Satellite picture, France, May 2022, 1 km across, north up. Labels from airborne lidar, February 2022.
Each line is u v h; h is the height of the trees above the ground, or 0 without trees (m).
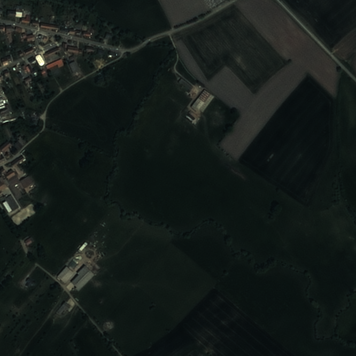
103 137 0
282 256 0
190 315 0
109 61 0
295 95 0
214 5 0
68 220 0
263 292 0
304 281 0
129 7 0
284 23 0
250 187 0
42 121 0
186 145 0
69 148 0
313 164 0
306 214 0
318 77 0
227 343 0
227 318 0
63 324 0
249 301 0
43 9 0
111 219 0
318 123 0
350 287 0
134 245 0
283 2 0
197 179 0
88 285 0
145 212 0
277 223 0
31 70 0
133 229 0
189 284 0
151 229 0
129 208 0
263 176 0
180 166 0
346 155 0
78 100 0
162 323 0
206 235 0
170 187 0
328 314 0
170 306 0
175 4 0
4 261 0
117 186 0
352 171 0
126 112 0
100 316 0
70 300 0
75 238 0
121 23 0
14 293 0
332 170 0
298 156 0
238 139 0
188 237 10
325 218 0
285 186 0
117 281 0
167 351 0
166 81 0
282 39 0
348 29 0
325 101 0
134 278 0
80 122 0
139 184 0
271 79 0
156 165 0
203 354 0
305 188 0
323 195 0
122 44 0
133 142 0
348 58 0
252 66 0
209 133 0
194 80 0
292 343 0
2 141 0
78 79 0
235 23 0
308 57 0
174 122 0
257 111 0
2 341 0
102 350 0
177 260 0
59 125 0
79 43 0
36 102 10
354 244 0
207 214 0
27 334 0
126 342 0
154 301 0
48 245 0
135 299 0
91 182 0
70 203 0
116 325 0
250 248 0
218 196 0
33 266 0
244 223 0
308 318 0
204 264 0
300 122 0
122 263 0
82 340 0
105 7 0
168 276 0
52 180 0
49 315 0
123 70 0
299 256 0
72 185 0
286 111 0
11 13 0
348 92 0
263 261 0
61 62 0
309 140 0
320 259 0
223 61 0
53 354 0
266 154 0
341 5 0
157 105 0
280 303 0
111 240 0
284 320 0
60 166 0
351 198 0
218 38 0
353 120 0
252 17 0
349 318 0
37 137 0
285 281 0
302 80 0
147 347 0
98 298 0
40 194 0
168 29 0
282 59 0
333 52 0
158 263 0
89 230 0
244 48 0
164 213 0
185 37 0
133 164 0
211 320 0
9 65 0
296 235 0
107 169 0
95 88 0
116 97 0
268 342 0
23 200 0
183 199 0
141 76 0
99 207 0
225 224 0
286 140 0
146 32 0
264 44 0
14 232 18
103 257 0
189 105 0
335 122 0
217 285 0
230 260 0
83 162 19
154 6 0
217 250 0
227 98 0
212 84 0
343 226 0
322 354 0
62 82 0
